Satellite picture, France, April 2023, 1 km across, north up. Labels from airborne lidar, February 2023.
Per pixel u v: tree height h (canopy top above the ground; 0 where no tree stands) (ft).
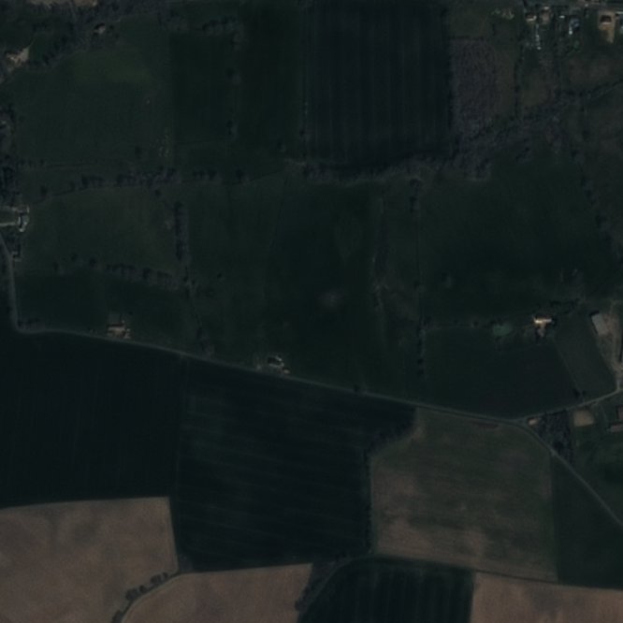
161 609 0
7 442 0
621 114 0
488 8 0
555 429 20
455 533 0
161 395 0
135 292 0
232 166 0
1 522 0
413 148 0
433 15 0
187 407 0
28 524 0
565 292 0
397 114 0
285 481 0
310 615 0
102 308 0
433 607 0
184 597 0
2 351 0
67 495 0
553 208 0
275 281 0
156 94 0
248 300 0
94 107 0
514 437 0
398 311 0
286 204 0
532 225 0
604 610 0
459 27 0
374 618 0
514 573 0
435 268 0
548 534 0
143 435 0
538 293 0
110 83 0
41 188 0
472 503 0
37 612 0
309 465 0
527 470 0
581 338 0
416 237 0
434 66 0
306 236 0
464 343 0
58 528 0
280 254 0
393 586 0
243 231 0
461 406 0
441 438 0
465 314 0
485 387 0
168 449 0
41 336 0
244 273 0
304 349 0
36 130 0
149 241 0
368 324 0
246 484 0
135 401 0
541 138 0
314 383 0
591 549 0
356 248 0
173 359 0
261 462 0
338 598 0
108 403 0
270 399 0
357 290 0
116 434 0
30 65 31
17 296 0
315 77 0
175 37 0
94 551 0
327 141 0
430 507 0
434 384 0
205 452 0
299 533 0
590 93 19
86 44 66
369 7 0
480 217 0
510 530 0
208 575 0
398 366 0
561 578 0
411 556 0
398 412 0
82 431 0
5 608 0
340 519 0
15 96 0
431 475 0
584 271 0
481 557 0
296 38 0
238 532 0
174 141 0
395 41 0
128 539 0
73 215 0
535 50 0
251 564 0
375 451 51
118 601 0
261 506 0
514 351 0
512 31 0
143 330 0
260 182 0
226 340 0
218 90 0
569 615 0
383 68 0
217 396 0
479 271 0
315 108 0
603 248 0
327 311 0
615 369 0
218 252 0
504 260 0
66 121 0
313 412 0
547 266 0
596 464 0
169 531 0
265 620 0
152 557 0
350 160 0
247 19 0
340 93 0
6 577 0
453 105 59
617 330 0
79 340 0
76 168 0
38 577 0
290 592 0
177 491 0
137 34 0
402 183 0
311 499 0
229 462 0
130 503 0
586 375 0
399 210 0
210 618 0
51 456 0
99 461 0
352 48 0
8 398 0
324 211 0
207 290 0
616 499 0
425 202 0
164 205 0
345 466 0
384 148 0
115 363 0
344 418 0
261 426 0
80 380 0
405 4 0
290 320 0
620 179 0
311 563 0
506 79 0
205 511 0
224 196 0
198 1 0
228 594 0
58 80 0
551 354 0
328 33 0
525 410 0
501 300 0
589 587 0
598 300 0
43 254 0
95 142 0
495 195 0
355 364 0
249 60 0
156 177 39
